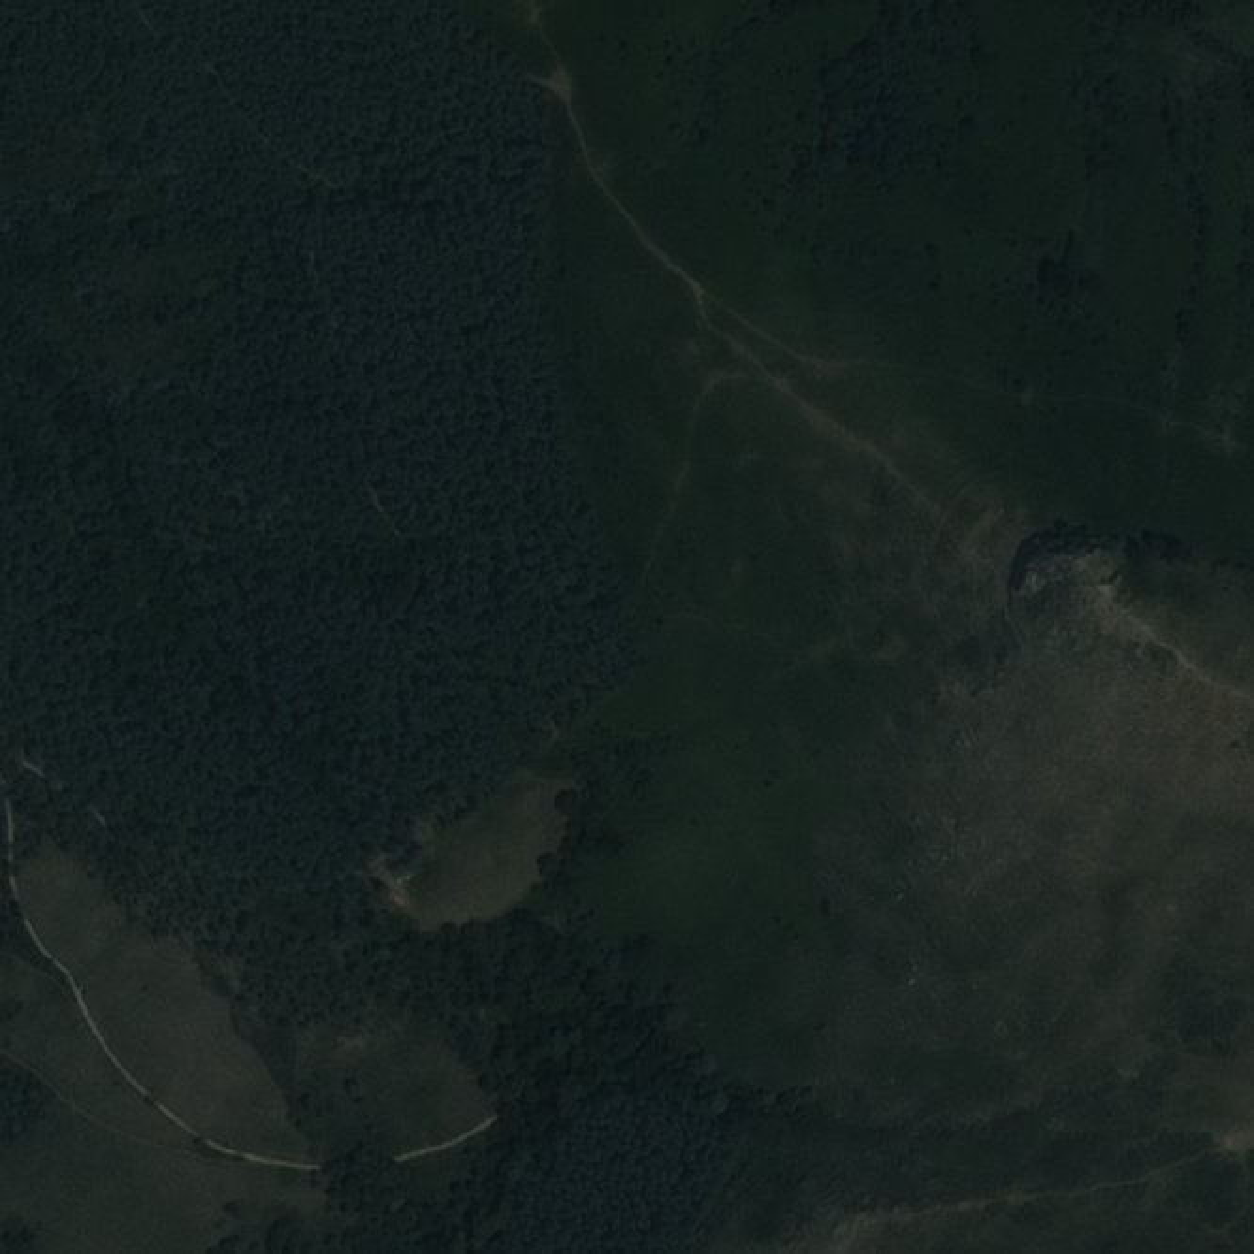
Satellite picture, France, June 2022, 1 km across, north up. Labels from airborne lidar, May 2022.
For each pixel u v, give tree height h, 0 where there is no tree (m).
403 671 22
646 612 0
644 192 0
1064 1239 0
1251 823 0
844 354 0
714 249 0
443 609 25
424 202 5
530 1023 12
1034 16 0
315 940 10
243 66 24
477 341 20
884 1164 0
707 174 0
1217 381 0
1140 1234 0
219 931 13
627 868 0
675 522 0
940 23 11
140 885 8
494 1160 14
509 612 18
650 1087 17
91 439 17
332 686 26
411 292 19
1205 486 0
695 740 0
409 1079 0
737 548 0
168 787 21
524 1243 18
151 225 14
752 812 0
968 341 0
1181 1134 0
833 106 15
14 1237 10
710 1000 0
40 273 18
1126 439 0
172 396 15
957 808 0
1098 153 9
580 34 0
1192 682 0
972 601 0
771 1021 0
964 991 0
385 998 11
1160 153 0
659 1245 16
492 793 21
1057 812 0
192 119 16
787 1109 14
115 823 15
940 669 0
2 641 19
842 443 0
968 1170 0
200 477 12
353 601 24
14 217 14
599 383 0
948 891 0
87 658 25
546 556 22
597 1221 20
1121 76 6
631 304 0
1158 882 0
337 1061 0
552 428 17
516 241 22
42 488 20
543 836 0
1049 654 0
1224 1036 0
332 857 21
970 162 0
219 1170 0
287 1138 0
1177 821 0
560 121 0
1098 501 0
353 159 24
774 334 0
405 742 20
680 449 0
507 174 18
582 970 18
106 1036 0
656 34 0
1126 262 0
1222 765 0
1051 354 0
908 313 0
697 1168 25
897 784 0
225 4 18
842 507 0
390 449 21
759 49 0
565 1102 26
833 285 0
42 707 19
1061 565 0
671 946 0
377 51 21
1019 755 0
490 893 0
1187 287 0
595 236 0
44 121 10
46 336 18
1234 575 0
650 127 0
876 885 0
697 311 0
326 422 20
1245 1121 0
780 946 0
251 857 22
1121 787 0
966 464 0
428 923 0
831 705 0
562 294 0
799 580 0
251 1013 0
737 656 0
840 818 0
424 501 21
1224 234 0
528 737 21
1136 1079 0
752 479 0
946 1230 0
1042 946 0
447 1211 15
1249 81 8
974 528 0
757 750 0
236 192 17
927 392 0
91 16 18
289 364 22
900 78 10
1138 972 0
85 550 26
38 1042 0
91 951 0
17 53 18
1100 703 0
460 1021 16
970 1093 0
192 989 0
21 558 25
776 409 0
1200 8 11
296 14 22
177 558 21
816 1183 0
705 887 0
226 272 7
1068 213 0
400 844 21
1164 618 0
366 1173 18
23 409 12
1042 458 0
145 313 7
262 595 19
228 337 12
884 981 0
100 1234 0
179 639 17
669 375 0
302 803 22
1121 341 0
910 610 0
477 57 14
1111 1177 0
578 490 18
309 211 21
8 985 0
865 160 17
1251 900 0
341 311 17
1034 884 0
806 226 0
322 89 22
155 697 19
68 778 14
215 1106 0
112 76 9
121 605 21
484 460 17
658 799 0
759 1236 0
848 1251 0
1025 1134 0
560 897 8
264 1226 0
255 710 21
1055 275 25
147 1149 0
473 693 22
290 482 13
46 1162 0
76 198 8
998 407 0
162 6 20
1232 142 0
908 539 0
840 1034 0
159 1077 0
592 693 20
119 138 16
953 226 0
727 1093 11
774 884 0
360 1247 17
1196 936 0
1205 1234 0
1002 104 0
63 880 0
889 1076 0
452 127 21
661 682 0
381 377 24
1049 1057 0
